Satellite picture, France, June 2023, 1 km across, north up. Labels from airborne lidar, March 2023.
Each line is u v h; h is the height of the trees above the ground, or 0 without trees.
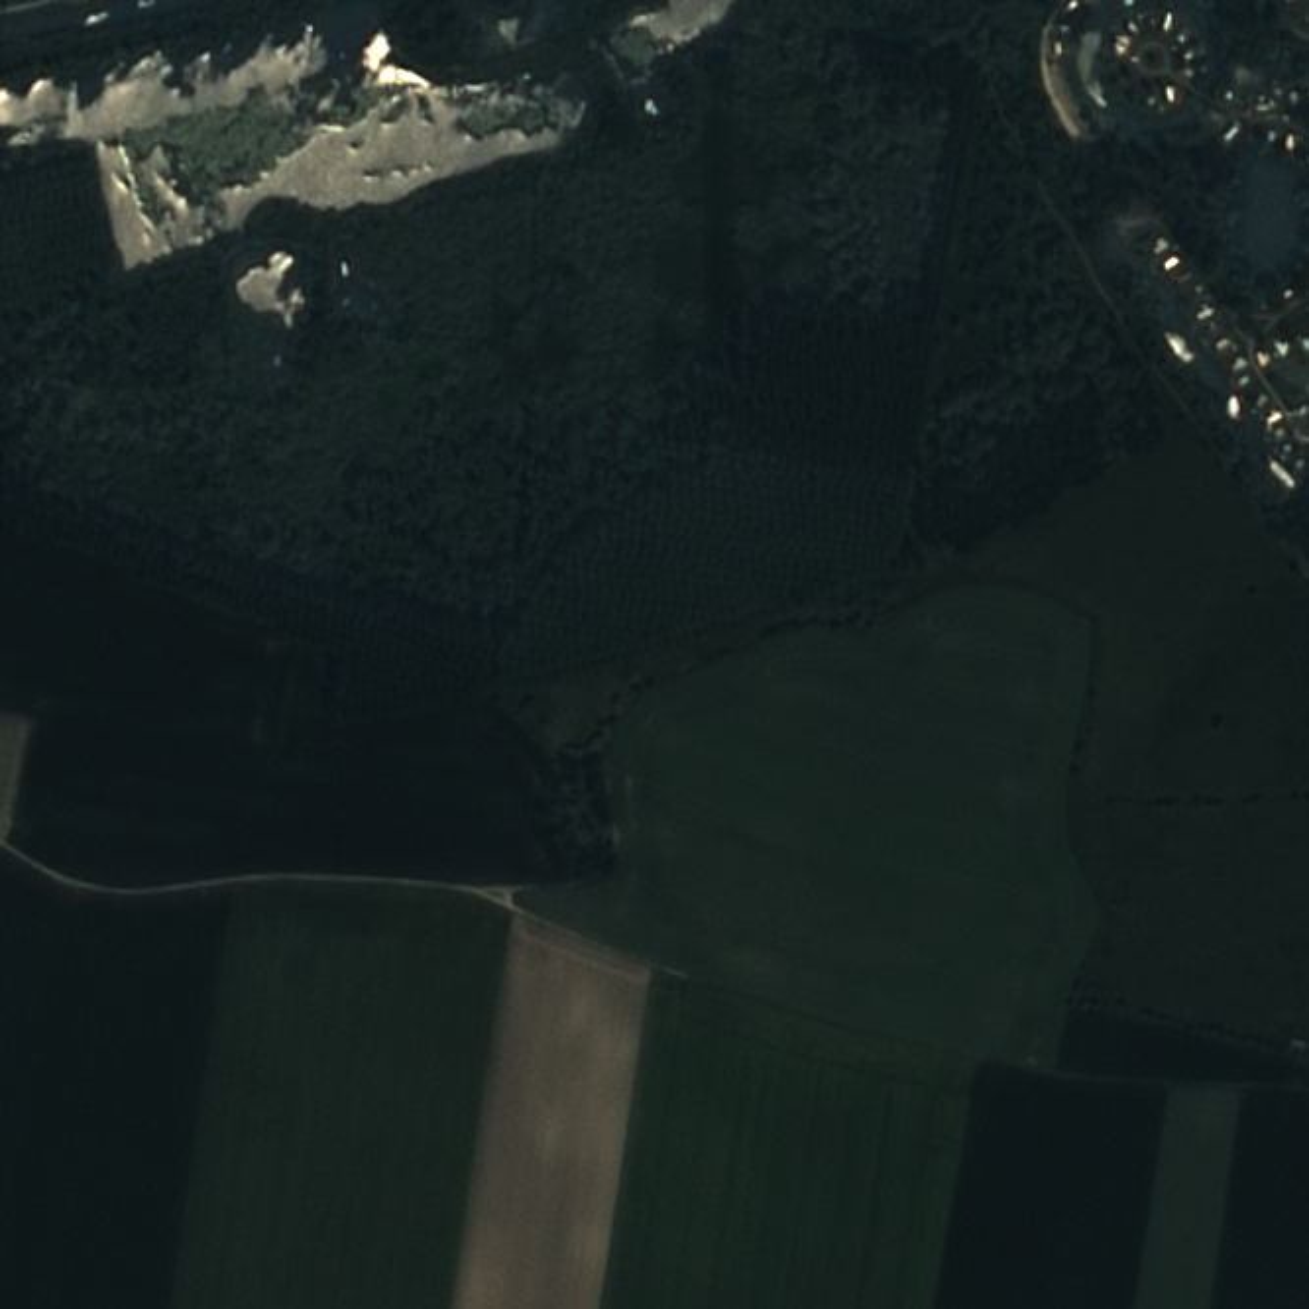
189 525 6
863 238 10
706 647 0
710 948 0
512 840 0
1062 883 0
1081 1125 0
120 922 0
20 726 0
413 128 0
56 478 6
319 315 11
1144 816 0
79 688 0
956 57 24
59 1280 0
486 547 7
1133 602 0
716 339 0
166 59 0
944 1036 0
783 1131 0
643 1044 0
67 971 0
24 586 0
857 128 18
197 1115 0
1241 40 15
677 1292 0
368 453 8
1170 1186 0
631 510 24
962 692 0
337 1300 0
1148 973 0
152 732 0
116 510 6
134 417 20
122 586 0
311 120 0
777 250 0
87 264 8
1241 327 8
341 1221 0
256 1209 0
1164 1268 0
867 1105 0
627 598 30
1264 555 0
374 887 0
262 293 0
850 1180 0
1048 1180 0
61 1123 0
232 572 22
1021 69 11
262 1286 0
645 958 0
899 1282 0
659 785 0
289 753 0
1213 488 0
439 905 0
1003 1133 0
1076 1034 0
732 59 12
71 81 0
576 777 5
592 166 6
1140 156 23
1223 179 17
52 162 18
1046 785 0
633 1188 0
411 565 14
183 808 0
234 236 8
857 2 14
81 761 0
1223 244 21
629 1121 0
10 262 20
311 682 0
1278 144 11
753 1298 0
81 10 0
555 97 0
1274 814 0
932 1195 0
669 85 9
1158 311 13
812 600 0
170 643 0
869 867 0
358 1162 0
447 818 0
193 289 6
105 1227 0
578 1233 0
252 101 0
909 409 22
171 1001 0
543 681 0
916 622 0
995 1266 0
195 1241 0
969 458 21
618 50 0
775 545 27
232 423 7
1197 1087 0
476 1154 0
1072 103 0
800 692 0
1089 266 0
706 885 0
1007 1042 0
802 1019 0
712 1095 0
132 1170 0
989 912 0
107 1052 0
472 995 0
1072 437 23
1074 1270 0
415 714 0
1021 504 23
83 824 0
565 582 28
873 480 28
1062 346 5
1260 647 0
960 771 0
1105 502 0
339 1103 0
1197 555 0
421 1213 0
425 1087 0
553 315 7
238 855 0
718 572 31
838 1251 0
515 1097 0
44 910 0
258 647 0
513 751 0
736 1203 0
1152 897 0
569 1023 0
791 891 0
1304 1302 0
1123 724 0
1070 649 0
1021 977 0
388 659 26
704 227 0
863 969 0
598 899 0
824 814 0
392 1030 0
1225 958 0
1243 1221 0
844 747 0
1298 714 0
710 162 0
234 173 0
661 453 20
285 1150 0
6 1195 0
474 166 0
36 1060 0
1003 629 0
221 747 0
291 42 0
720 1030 0
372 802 0
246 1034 0
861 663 0
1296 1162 0
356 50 0
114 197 0
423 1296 0
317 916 0
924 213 12
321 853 0
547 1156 0
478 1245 0
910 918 0
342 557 7
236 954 0
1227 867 0
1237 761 0
